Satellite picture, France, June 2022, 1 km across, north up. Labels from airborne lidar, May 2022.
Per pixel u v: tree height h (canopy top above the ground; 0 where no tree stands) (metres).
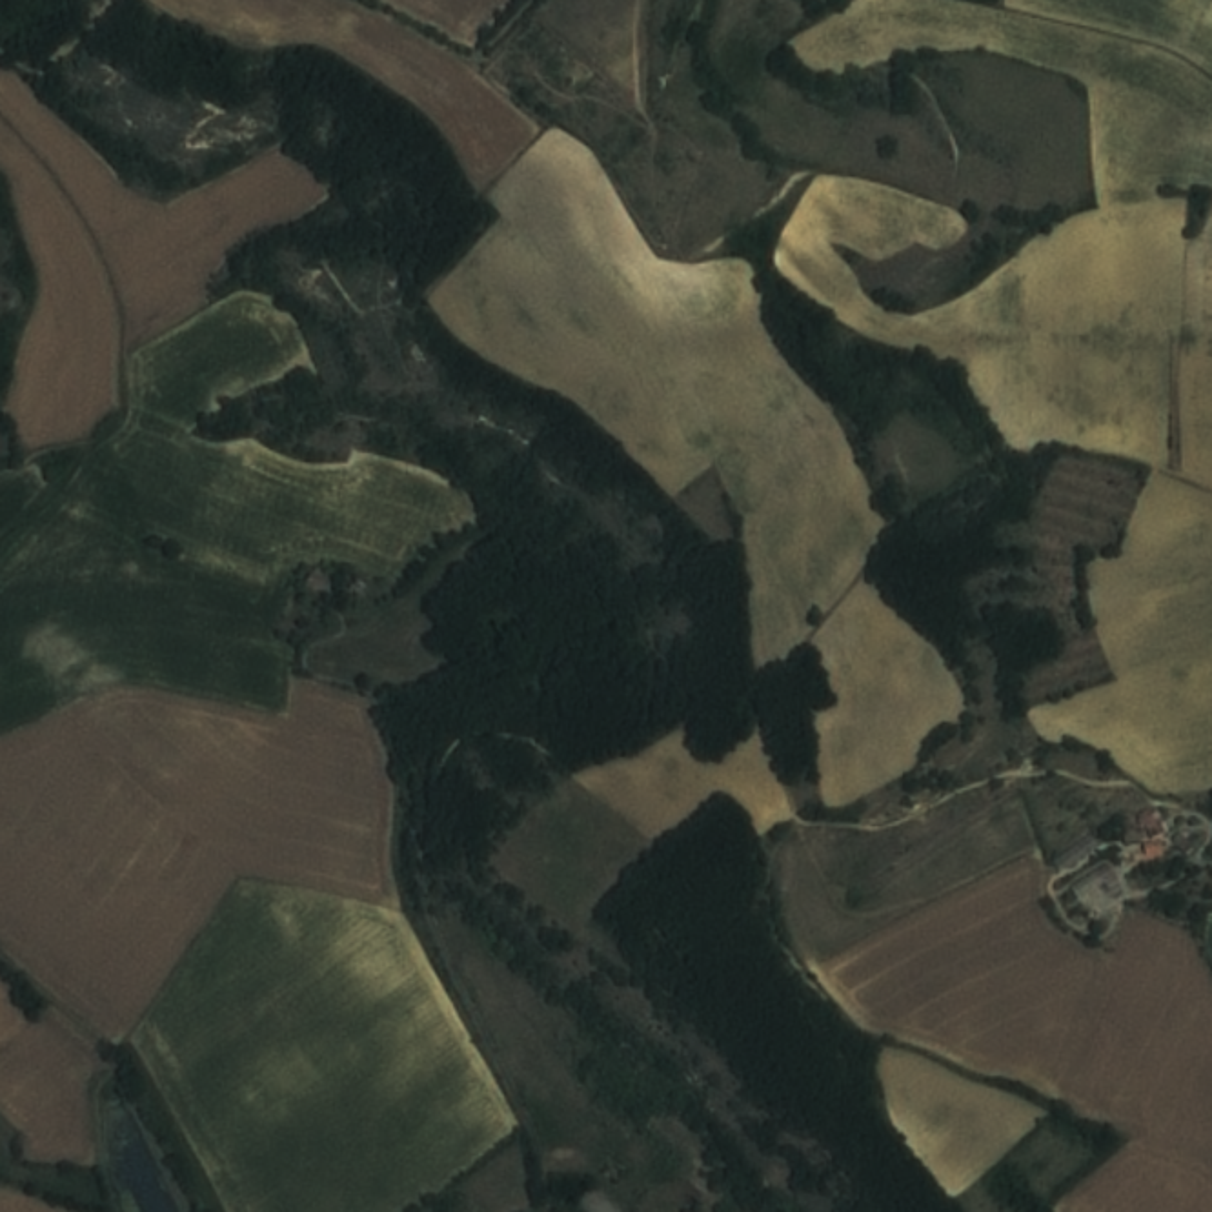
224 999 0
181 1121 0
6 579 0
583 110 0
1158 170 0
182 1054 0
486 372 10
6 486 0
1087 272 0
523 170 0
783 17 0
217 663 0
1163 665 0
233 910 0
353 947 0
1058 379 0
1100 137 0
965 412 9
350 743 0
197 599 0
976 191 0
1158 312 0
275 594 0
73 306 0
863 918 0
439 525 0
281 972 0
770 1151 13
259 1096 0
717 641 15
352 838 0
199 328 0
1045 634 17
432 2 0
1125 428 0
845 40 0
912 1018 0
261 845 0
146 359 0
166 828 0
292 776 0
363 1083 0
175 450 0
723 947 13
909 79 14
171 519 0
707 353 0
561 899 0
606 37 0
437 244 16
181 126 0
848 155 0
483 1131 0
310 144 6
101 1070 0
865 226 0
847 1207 9
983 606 16
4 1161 0
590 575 14
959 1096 0
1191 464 0
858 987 0
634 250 0
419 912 9
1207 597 0
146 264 0
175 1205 0
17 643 0
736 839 14
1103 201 0
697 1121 10
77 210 0
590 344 0
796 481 0
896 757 0
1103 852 9
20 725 0
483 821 13
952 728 12
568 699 22
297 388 12
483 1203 0
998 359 0
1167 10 0
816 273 0
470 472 11
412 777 8
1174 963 0
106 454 0
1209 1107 0
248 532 0
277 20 0
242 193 0
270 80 9
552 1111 0
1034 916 0
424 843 13
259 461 0
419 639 0
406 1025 0
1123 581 0
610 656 10
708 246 0
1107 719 0
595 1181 7
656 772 0
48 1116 0
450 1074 0
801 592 0
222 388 0
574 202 0
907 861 0
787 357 8
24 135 0
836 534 0
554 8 0
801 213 0
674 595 8
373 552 0
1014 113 0
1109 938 0
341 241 12
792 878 0
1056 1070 0
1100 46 0
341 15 0
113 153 7
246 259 6
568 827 0
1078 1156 0
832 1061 9
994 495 9
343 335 11
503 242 0
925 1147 0
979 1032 0
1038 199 0
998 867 0
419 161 14
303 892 0
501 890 9
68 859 0
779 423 0
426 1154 0
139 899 0
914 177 0
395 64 0
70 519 0
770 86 0
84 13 10
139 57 7
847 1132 12
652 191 0
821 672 11
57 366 0
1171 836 0
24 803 0
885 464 0
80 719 0
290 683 0
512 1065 0
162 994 0
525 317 0
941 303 0
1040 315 0
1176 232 0
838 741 0
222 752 0
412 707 16
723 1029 9
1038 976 0
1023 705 16
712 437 0
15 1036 0
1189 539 0
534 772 10
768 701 16
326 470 0
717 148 0
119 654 0
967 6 0
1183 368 0
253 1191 0
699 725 13
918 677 0
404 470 0
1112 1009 0
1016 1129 0
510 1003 0
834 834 0
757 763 0
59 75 9
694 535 8
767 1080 13
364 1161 0
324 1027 0
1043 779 6
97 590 0
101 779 0
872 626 0
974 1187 0
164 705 0
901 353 10
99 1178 12
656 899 17
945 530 14
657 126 0
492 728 15
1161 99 0
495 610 23
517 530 9
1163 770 0
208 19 0
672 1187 0
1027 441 0
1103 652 0
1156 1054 0
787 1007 12
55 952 0
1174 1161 0
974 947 0
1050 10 0
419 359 0
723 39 0
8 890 0
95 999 0
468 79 0
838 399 9
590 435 14
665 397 0
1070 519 0
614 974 10
